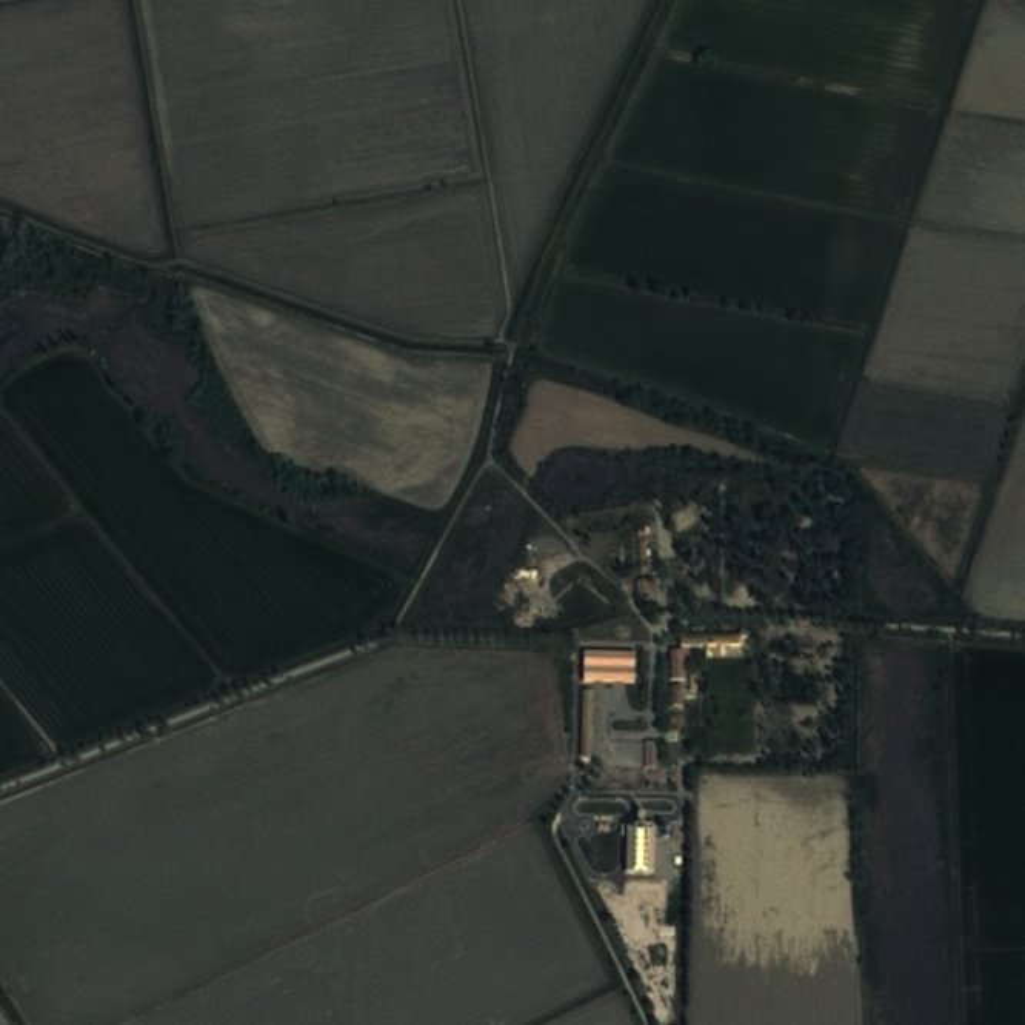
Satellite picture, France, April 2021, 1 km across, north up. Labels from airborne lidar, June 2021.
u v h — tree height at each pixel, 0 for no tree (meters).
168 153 0
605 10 0
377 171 0
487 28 0
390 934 0
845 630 17
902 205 0
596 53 0
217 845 0
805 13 0
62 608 0
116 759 0
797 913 0
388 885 0
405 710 0
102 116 0
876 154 0
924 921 0
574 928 0
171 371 0
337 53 0
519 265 0
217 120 0
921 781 0
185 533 0
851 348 0
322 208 0
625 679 0
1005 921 0
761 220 0
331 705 0
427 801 0
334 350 0
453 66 0
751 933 0
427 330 0
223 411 7
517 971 0
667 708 17
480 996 0
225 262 0
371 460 0
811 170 0
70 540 0
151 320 8
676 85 0
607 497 9
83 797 0
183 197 0
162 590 0
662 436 0
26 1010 0
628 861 0
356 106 0
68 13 0
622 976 0
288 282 0
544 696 0
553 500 7
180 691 0
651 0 0
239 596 0
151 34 0
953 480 0
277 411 0
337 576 0
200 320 9
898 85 0
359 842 0
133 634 0
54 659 0
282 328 0
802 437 0
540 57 0
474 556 0
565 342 0
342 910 0
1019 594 0
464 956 0
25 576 0
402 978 0
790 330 0
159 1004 0
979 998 0
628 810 0
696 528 0
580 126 0
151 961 0
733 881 0
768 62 0
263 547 0
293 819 0
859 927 0
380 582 0
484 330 0
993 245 0
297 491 10
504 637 12
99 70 0
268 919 0
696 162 0
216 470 0
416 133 0
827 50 0
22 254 15
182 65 0
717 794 0
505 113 0
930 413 0
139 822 0
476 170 0
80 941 0
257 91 0
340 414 0
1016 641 13
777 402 0
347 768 0
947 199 0
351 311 0
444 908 0
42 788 0
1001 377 0
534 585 0
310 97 0
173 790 0
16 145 0
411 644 15
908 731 0
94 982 0
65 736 0
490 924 0
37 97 0
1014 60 0
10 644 0
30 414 0
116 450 0
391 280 0
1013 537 0
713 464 14
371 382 0
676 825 0
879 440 0
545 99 0
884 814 0
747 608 7
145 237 0
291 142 0
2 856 0
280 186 0
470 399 0
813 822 0
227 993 0
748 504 0
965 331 0
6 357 0
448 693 0
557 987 0
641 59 0
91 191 0
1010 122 0
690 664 15
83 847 0
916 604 0
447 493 0
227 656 0
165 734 13
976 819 0
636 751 0
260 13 0
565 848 8
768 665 16
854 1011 0
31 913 0
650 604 15
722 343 0
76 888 0
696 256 0
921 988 0
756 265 0
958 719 0
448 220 0
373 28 0
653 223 0
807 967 0
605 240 0
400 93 0
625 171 0
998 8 0
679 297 14
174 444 7
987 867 0
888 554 0
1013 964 0
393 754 0
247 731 0
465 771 0
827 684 8
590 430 0
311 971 0
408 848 0
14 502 0
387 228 0
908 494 0
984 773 0
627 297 0
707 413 10
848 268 0
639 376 0
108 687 0
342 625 0
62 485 0
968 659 0
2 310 0
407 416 0
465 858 0
